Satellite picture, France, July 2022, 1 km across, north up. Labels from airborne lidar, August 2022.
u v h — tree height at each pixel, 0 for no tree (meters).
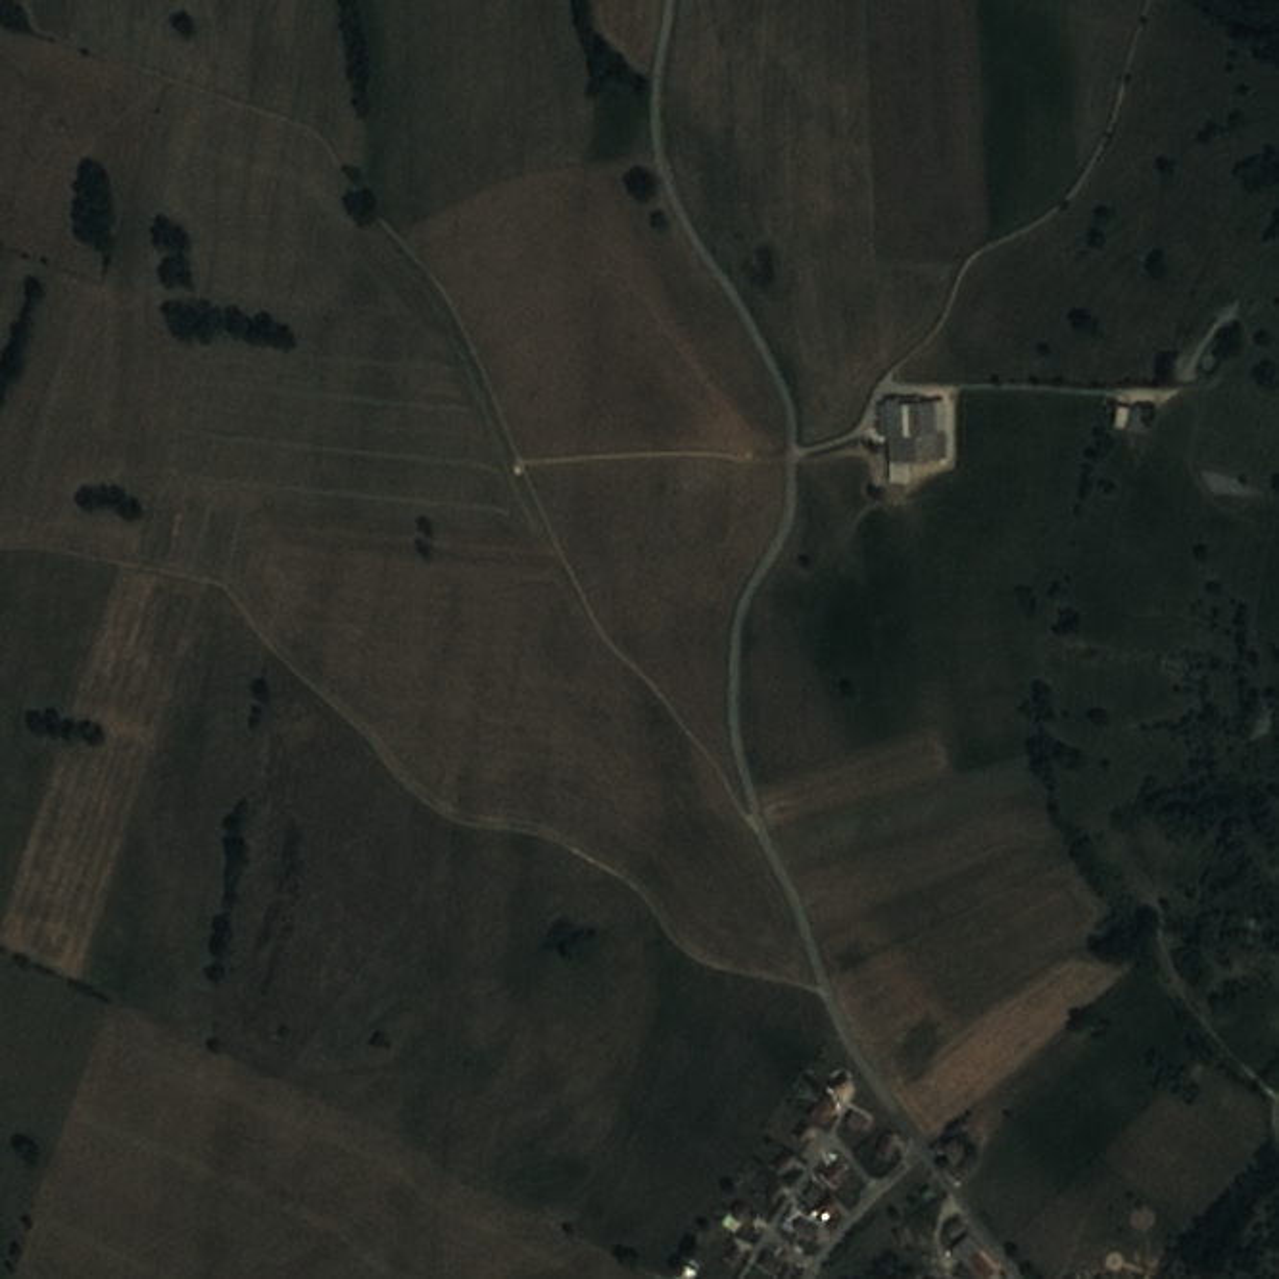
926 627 0
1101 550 0
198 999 0
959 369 0
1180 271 0
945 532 0
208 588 0
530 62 0
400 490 0
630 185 15
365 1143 0
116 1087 0
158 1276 0
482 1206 0
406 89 0
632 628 0
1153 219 0
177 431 0
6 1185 0
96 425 0
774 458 0
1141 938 11
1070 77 0
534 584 0
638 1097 0
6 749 0
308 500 0
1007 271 0
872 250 0
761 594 0
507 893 0
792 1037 0
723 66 0
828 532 0
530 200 0
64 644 0
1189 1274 6
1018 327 0
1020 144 0
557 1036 0
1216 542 0
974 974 0
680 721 0
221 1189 0
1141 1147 0
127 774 0
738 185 0
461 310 0
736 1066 0
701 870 0
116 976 0
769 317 0
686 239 0
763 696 0
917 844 0
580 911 0
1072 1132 0
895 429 0
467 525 0
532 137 0
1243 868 6
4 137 0
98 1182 0
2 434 0
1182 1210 0
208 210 0
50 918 0
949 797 0
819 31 0
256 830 0
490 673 0
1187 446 0
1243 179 6
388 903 0
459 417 0
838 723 0
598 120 0
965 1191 0
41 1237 0
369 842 0
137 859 0
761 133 0
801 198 0
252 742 0
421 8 0
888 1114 0
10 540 0
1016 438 0
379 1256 0
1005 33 0
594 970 0
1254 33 15
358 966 0
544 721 0
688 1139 0
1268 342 8
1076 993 0
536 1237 0
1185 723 7
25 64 0
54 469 0
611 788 0
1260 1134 0
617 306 0
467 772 0
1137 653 0
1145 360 0
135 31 0
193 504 0
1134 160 0
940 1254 0
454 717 0
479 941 0
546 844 0
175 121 0
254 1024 0
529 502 0
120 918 0
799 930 0
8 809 0
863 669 0
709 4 0
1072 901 0
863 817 0
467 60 0
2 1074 0
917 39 0
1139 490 0
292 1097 0
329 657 0
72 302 0
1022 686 0
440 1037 0
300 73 0
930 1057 0
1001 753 0
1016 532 0
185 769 0
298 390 0
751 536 0
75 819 0
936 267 0
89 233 15
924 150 0
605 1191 0
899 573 0
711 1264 0
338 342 0
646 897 0
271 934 0
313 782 0
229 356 0
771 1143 6
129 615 0
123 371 0
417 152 0
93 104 0
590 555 0
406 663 0
